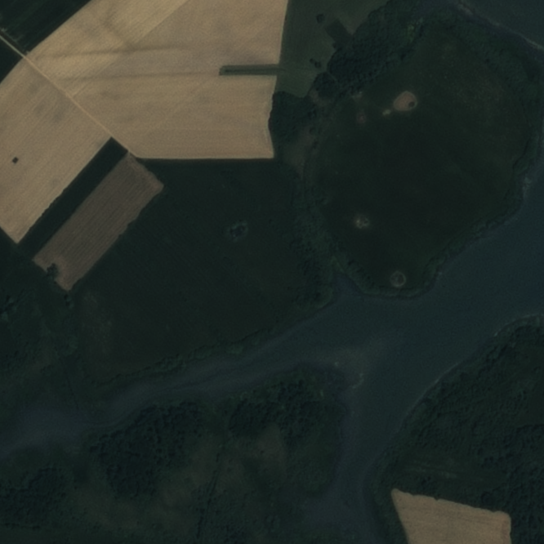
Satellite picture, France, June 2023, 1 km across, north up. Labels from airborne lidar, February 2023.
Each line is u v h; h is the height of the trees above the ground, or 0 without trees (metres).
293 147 0
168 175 0
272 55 0
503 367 8
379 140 0
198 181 0
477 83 0
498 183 0
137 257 0
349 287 0
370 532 0
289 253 0
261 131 0
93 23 0
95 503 0
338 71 14
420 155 0
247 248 0
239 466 0
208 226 0
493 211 0
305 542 0
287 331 0
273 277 0
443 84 0
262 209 0
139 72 0
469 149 0
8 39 0
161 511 0
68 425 0
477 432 15
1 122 0
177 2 0
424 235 0
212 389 0
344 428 0
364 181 0
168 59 0
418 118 0
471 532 0
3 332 0
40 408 0
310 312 0
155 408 11
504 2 0
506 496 6
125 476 21
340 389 0
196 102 0
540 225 0
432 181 0
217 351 0
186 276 0
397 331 0
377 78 8
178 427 26
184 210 0
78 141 0
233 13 0
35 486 20
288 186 0
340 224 0
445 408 6
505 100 0
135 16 0
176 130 0
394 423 0
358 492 0
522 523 16
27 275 0
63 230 0
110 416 0
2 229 0
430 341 0
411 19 0
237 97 0
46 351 0
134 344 0
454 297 0
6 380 0
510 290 0
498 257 0
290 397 6
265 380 0
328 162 0
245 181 0
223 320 0
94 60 0
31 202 0
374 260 0
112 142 0
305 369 0
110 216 0
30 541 0
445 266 0
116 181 0
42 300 0
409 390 0
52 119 0
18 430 0
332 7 0
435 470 0
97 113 0
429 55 0
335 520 0
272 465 0
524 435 17
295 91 0
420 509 0
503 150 0
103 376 0
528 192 0
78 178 0
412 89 0
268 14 0
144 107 0
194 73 0
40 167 0
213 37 0
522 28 0
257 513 0
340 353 0
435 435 7
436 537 0
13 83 0
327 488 0
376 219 0
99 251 0
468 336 0
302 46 0
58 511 8
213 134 0
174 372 0
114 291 0
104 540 0
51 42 0
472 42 7
